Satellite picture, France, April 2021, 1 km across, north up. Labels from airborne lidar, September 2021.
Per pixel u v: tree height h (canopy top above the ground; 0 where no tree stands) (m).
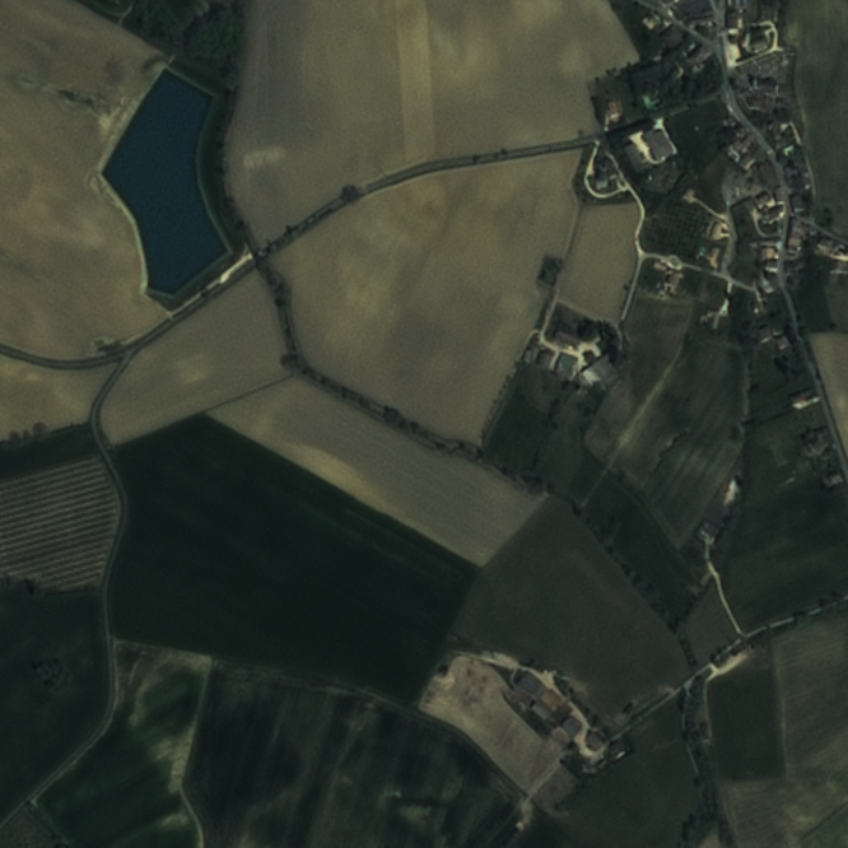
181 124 0
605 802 0
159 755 0
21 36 0
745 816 0
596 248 0
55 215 0
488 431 11
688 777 0
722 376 0
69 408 0
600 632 0
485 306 0
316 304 0
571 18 0
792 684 0
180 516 0
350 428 0
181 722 0
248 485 0
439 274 0
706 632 0
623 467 0
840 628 0
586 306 0
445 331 0
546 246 0
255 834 0
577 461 0
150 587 0
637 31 0
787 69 0
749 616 0
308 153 0
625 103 0
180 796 0
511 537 0
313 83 0
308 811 0
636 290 0
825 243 0
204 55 18
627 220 0
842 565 0
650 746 0
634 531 0
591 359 11
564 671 0
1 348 0
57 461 0
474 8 0
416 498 0
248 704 0
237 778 0
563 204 0
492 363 0
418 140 0
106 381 0
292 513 0
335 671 0
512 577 0
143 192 0
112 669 0
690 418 0
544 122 0
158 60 0
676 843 0
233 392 0
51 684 19
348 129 0
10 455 0
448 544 0
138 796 0
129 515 0
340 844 0
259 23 0
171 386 0
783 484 0
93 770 0
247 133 0
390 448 0
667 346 0
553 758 0
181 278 0
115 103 0
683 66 17
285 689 0
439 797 0
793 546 0
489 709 0
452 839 0
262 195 0
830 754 0
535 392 0
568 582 0
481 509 0
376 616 0
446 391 0
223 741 0
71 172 0
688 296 0
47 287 0
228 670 0
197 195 0
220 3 0
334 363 0
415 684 0
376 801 0
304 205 0
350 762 0
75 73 0
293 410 0
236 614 0
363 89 0
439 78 0
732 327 0
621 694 0
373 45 0
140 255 0
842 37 0
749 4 0
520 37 0
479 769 0
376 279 0
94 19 0
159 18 15
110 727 0
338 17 0
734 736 0
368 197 0
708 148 0
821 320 0
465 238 0
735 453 0
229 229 0
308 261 0
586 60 0
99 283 0
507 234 0
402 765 0
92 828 0
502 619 0
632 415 0
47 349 0
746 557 0
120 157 0
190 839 0
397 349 0
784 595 0
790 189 14
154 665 0
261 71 0
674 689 0
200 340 0
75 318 0
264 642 0
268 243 0
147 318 0
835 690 0
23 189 0
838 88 0
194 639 0
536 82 0
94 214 0
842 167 0
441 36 0
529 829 0
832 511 0
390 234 0
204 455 0
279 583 0
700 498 0
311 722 0
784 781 0
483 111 0
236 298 0
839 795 0
